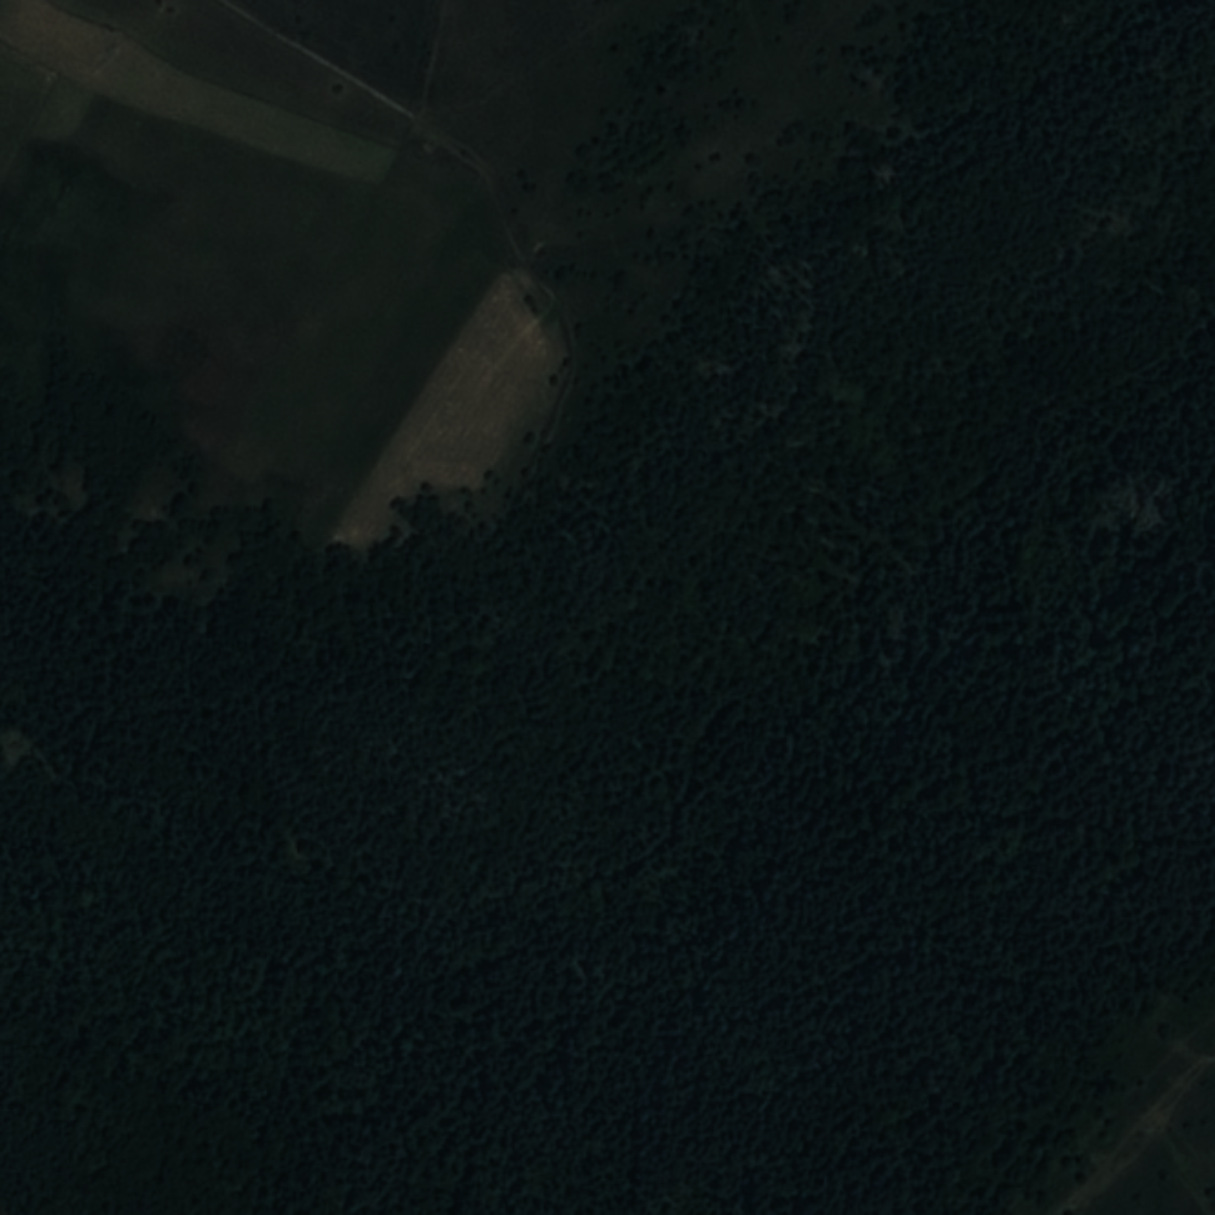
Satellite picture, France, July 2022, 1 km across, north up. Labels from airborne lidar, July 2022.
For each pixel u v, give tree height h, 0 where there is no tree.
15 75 0
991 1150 12
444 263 0
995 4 10
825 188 7
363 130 0
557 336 0
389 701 15
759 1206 26
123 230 0
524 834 19
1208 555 6
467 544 10
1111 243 13
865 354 14
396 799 17
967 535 21
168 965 10
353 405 0
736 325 13
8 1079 24
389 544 9
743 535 16
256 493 0
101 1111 12
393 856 22
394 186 0
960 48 11
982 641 21
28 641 25
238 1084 18
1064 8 11
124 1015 9
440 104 0
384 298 0
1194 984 8
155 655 26
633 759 22
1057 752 26
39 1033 20
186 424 0
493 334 0
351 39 0
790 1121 17
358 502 0
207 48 0
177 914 12
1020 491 18
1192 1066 0
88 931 12
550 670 17
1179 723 25
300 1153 10
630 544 18
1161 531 6
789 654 15
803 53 0
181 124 0
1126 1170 0
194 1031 19
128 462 10
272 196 0
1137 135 10
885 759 29
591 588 19
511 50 0
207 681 19
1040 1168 12
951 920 19
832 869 22
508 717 19
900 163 17
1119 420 16
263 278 0
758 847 20
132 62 0
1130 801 20
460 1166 7
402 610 13
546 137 0
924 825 23
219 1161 13
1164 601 26
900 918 25
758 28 0
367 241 0
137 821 7
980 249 14
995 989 21
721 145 0
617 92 0
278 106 0
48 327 0
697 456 24
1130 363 21
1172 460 25
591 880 20
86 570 16
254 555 12
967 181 14
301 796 18
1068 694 17
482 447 0
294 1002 18
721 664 18
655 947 20
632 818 20
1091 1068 9
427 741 18
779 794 13
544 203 0
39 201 0
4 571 14
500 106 0
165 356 0
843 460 23
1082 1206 0
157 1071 14
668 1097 29
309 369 0
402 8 0
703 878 17
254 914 18
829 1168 20
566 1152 19
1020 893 16
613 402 9
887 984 19
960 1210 10
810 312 11
